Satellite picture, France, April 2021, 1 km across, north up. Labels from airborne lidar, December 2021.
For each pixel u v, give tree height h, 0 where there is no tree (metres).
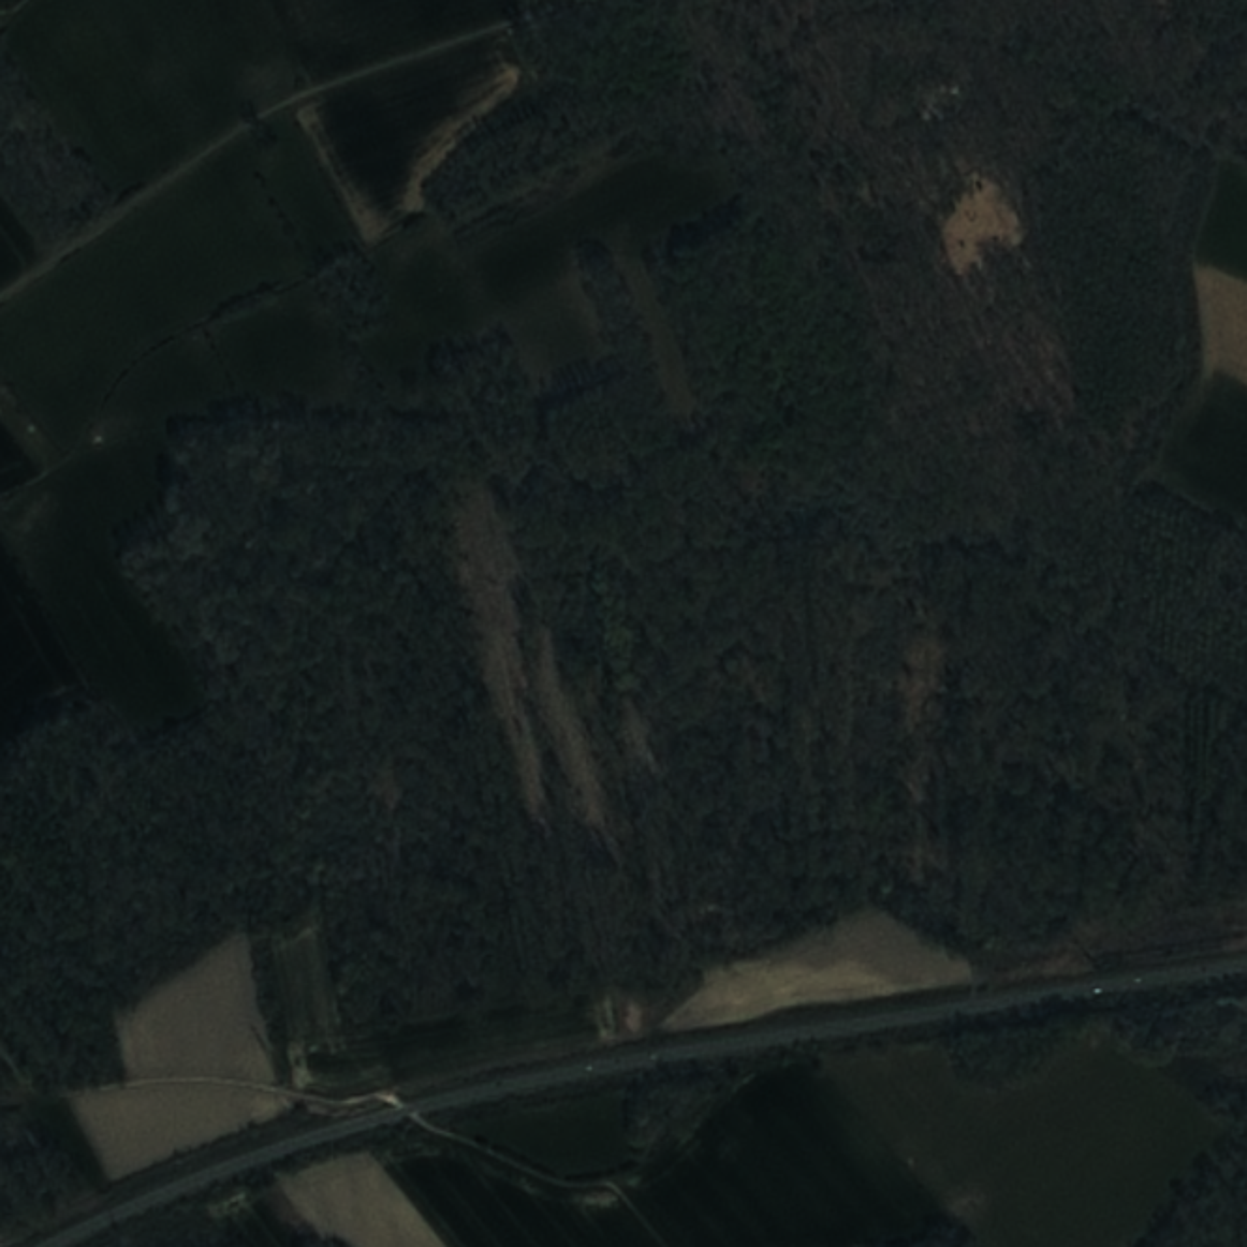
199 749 13
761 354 23
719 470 31
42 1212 28
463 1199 0
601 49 24
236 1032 0
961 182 21
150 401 0
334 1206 0
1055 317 21
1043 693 23
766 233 26
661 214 0
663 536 33
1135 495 20
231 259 0
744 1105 0
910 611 12
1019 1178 0
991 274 18
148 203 0
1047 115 20
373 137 0
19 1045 22
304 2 0
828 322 24
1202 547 12
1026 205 23
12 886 29
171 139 0
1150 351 16
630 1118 18
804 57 21
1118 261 17
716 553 24
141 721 0
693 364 25
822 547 32
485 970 23
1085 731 26
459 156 7
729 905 24
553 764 31
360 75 0
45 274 0
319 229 0
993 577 27
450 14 0
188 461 20
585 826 0
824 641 36
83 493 0
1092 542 36
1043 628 26
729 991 0
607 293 25
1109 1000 9
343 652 27
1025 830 31
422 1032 0
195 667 9
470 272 0
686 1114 21
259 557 13
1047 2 23
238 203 0
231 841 11
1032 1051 27
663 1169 0
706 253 26
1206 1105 9
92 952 8
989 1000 0
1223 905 7
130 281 0
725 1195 0
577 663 26
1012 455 25
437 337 0
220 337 0
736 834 8
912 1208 0
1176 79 24
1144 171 17
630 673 23
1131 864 25
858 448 25
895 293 22
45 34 0
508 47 0
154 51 0
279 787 23
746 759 21
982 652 27
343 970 22
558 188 0
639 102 19
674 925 0
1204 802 11
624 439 32
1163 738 22
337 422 21
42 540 0
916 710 0
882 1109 0
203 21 0
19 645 0
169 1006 0
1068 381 18
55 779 28
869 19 24
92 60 0
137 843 26
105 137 0
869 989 0
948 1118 0
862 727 6
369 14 0
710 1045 0
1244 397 0
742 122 21
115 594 0
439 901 19
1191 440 0
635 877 7
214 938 11
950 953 19
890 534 7
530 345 0
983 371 25
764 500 9
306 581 28
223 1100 0
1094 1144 0
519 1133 0
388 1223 0
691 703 24
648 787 0
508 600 0
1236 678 17
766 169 24
